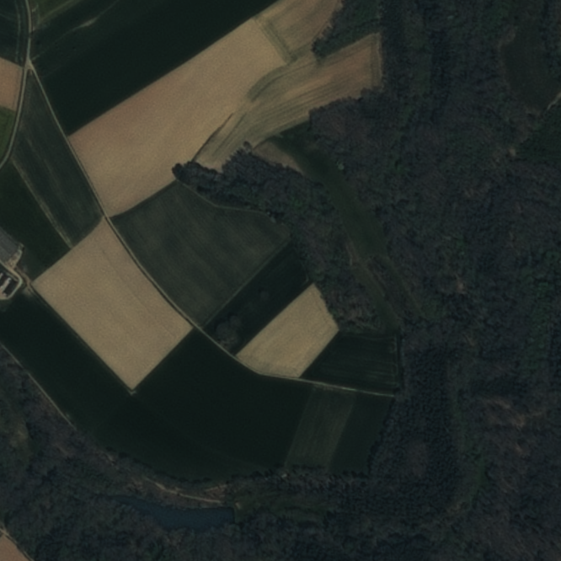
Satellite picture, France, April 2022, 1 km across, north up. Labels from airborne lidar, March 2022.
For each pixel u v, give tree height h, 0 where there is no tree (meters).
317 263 29
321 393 0
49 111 0
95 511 26
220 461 0
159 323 0
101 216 0
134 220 0
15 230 0
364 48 0
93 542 27
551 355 19
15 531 28
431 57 27
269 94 0
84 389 0
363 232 0
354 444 0
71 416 0
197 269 0
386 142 31
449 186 17
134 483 27
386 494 27
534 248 25
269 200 31
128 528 26
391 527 29
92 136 0
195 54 0
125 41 0
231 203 21
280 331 0
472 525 26
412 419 28
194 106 0
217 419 0
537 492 28
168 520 0
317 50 16
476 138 24
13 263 0
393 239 29
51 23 0
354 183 29
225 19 0
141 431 0
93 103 0
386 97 16
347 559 19
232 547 26
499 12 30
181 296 0
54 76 0
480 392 15
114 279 0
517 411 22
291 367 0
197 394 0
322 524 0
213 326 0
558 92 0
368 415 0
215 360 0
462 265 28
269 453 0
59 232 0
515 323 33
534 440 24
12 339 0
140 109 0
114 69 0
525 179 31
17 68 0
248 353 0
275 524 22
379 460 30
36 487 36
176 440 0
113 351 0
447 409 30
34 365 0
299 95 0
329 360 0
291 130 0
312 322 0
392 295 0
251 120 0
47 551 30
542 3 0
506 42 26
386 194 32
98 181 0
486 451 20
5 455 27
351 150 24
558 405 19
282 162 0
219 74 0
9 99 0
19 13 0
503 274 20
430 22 32
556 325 23
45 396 0
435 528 32
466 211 29
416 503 24
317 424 0
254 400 0
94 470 18
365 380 0
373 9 20
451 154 15
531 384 20
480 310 31
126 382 0
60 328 0
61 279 0
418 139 25
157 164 0
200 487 19
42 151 0
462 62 23
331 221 34
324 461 0
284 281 0
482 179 18
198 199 0
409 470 23
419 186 31
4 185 0
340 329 20
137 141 0
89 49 0
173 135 0
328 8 0
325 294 16
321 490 6
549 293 22
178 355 0
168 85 0
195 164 10
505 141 26
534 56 0
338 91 0
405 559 33
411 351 28
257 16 0
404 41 22
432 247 33
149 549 29
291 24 0
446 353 30
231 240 0
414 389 24
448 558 29
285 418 0
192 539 24
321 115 23
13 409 0
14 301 0
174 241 0
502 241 22
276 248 0
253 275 0
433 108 18
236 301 0
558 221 29
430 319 19
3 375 23
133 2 0
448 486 29
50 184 0
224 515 0
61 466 30
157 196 0
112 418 0
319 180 0
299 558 26
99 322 0
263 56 0
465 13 21
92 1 0
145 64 0
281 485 22
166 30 0
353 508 31
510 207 30
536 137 10
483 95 17
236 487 20
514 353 21
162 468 0
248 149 19
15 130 0
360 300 26
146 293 0
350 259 0
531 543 28
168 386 0
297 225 27
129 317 0
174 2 0
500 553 24
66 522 22
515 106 28
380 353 0
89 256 0
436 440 26
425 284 27
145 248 0
